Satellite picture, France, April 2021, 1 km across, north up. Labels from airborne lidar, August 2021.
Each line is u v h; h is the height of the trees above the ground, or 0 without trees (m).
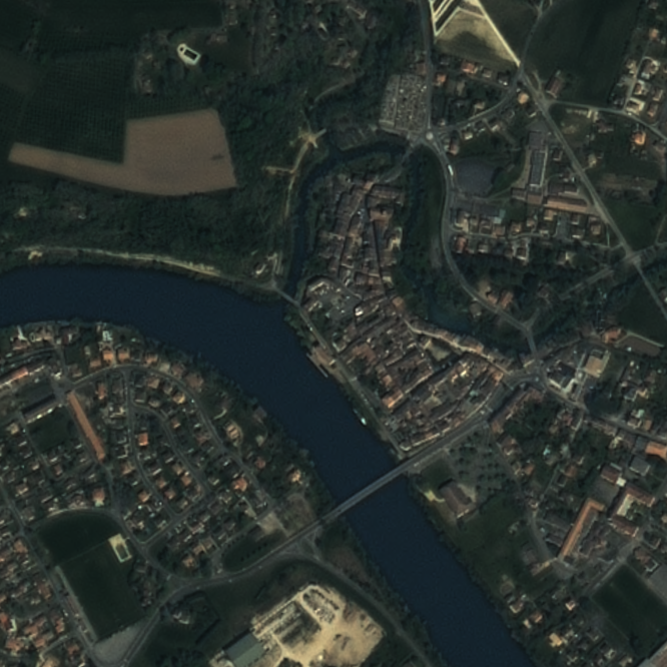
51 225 19
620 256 0
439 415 0
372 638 0
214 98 12
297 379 0
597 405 18
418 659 9
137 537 15
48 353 6
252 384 0
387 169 7
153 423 15
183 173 0
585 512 0
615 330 0
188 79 11
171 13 0
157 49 18
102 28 0
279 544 0
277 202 16
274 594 0
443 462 0
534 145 0
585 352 0
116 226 14
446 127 0
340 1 11
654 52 0
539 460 10
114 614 0
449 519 0
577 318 19
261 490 7
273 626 0
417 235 0
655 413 7
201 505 8
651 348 0
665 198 18
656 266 11
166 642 0
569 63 0
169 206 16
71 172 0
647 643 0
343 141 23
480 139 0
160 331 0
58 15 0
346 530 7
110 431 7
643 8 6
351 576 8
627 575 0
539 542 0
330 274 8
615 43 0
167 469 0
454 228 0
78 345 9
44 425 0
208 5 0
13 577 0
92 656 0
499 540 0
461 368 0
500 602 11
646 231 0
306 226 0
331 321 9
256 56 18
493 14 0
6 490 0
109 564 0
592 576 0
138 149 0
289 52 20
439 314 0
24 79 0
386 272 0
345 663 0
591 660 6
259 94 25
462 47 0
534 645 10
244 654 0
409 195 6
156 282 0
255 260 10
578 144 0
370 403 0
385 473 0
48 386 7
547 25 0
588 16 0
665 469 11
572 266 11
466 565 8
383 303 0
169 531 0
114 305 0
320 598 0
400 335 0
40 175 0
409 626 13
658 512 10
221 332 0
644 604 0
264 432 0
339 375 0
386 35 13
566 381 0
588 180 0
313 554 0
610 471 0
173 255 23
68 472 13
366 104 27
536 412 10
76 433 18
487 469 7
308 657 0
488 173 0
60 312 0
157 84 0
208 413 0
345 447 0
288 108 17
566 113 0
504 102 0
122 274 0
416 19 23
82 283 0
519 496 10
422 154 9
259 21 18
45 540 0
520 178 0
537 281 16
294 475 0
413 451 9
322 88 0
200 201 20
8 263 8
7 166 0
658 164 0
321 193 10
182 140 0
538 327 8
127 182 0
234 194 14
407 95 0
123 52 15
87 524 0
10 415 9
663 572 0
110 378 6
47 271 0
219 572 0
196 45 0
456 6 0
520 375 0
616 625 0
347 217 0
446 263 11
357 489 0
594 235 8
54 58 8
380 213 0
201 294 0
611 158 0
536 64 0
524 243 7
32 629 0
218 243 17
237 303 0
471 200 10
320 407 0
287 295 0
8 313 0
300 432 0
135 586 8
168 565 13
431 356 6
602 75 0
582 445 8
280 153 22
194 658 14
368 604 0
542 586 0
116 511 0
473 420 0
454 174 0
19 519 0
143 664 0
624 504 0
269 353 0
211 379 24
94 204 24
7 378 0
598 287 9
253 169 15
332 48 12
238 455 0
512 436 7
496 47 0
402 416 0
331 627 0
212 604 9
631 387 0
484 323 8
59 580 0
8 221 27
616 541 0
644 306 0
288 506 17
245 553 0
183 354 15
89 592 0
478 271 17
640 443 0
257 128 14
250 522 11
